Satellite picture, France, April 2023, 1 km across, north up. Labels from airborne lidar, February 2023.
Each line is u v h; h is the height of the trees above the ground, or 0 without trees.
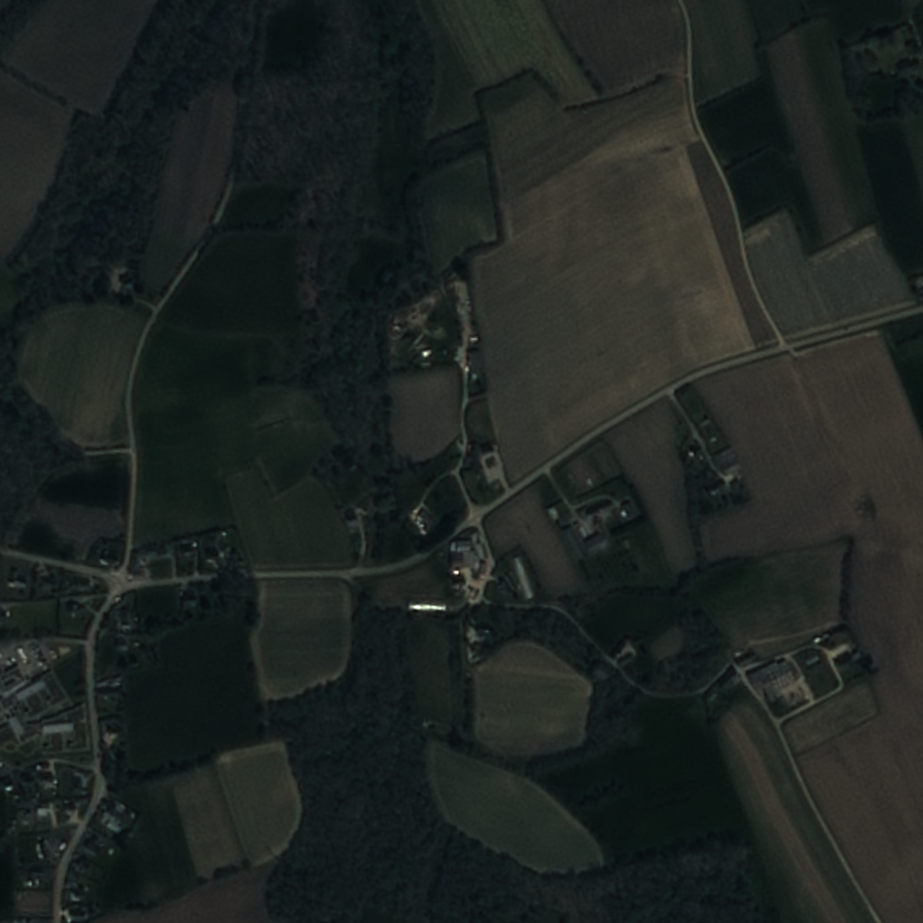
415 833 16
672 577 0
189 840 0
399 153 0
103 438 0
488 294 0
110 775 13
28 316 16
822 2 0
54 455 19
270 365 0
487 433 0
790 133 0
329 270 12
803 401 0
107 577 0
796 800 0
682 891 13
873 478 0
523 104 0
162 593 0
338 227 23
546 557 0
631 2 0
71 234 9
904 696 0
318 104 21
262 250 0
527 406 0
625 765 0
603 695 8
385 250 0
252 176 20
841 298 0
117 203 10
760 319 0
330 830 20
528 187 0
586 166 0
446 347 0
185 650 0
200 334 0
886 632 0
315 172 24
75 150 6
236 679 0
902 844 0
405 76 20
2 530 26
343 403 31
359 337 9
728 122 0
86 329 0
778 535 0
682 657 10
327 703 19
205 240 11
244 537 0
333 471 16
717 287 0
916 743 0
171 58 15
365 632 17
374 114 14
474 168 0
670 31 0
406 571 0
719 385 0
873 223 0
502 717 0
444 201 0
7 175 0
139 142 16
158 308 0
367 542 0
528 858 0
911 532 0
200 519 0
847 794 0
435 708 0
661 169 0
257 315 0
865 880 0
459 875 16
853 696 0
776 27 0
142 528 0
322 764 20
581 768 0
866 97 9
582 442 0
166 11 17
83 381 0
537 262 0
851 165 0
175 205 0
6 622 0
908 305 0
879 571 0
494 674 0
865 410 0
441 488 0
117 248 20
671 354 0
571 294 0
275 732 11
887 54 0
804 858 0
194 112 0
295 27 0
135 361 0
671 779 0
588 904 11
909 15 0
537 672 0
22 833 0
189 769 11
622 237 0
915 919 0
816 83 0
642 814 0
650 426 0
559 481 0
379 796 15
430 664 0
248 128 15
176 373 0
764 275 0
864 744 0
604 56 0
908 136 0
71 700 0
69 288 16
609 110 0
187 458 0
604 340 0
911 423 0
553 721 0
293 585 0
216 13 22
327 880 18
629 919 14
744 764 0
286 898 18
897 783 0
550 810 0
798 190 0
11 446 26
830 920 0
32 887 0
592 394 0
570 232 0
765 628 0
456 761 0
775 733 0
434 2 0
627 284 0
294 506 0
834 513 0
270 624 0
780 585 0
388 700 15
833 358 0
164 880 0
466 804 0
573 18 0
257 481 0
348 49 20
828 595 0
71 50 0
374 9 0
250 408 0
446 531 13
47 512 0
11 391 19
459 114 0
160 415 0
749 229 0
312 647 0
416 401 0
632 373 0
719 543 0
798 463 0
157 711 0
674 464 0
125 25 0
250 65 20
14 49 0
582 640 6
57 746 0
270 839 0
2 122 0
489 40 0
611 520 0
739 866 11
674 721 0
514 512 0
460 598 0
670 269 0
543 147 0
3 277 0
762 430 0
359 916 7
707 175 0
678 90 0
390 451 11
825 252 0
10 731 0
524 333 0
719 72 0
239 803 0
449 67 0
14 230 0
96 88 0
